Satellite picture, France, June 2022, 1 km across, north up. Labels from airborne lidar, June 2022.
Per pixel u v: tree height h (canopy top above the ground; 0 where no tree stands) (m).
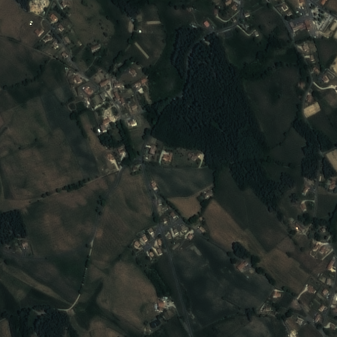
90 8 0
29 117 0
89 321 0
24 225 20
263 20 0
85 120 0
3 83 0
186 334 0
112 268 0
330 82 0
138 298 0
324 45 0
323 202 0
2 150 0
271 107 0
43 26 0
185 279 0
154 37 0
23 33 0
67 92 0
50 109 0
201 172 0
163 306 0
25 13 0
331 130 0
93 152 0
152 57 0
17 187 0
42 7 0
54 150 0
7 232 21
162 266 0
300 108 20
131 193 0
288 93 0
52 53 0
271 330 0
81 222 0
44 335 24
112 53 0
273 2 0
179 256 0
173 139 15
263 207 0
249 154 36
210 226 0
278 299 0
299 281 0
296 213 0
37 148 0
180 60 32
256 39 14
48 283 0
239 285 0
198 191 0
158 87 0
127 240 0
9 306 0
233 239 0
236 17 7
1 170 0
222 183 0
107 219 0
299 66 17
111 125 13
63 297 0
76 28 0
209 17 0
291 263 0
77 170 0
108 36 16
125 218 0
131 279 0
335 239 10
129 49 0
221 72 23
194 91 33
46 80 0
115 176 0
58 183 0
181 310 0
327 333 14
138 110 0
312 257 0
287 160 0
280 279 0
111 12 0
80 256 0
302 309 0
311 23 0
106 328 0
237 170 19
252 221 0
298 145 0
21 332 8
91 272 0
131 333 0
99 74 0
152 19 0
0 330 0
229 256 17
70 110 0
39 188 0
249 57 0
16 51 0
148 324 16
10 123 0
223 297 10
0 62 0
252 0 0
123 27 0
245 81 19
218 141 14
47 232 0
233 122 20
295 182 13
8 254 0
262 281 0
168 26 0
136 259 12
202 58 8
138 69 0
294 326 0
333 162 0
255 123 28
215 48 25
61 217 0
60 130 0
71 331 6
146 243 0
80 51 0
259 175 16
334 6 0
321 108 0
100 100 0
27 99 0
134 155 24
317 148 20
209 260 0
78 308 0
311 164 18
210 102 28
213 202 0
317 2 0
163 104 31
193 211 0
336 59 0
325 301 0
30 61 0
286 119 0
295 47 7
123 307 0
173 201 0
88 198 0
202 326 0
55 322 30
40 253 0
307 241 0
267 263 0
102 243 0
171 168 0
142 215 0
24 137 0
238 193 0
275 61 0
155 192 0
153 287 0
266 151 22
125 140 22
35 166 0
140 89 0
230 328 0
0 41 0
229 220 0
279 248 0
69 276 0
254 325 0
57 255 0
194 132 27
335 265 0
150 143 0
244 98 23
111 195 0
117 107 0
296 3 0
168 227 0
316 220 18
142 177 0
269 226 0
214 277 0
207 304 0
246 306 0
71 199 0
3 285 0
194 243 0
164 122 18
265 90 0
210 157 26
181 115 18
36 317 0
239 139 33
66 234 0
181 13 0
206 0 0
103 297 0
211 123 17
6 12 0
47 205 0
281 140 0
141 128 0
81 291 15
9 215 18
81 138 0
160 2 0
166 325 0
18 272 0
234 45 0
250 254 16
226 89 15
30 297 0
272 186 17
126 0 7
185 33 29
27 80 16
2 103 0
